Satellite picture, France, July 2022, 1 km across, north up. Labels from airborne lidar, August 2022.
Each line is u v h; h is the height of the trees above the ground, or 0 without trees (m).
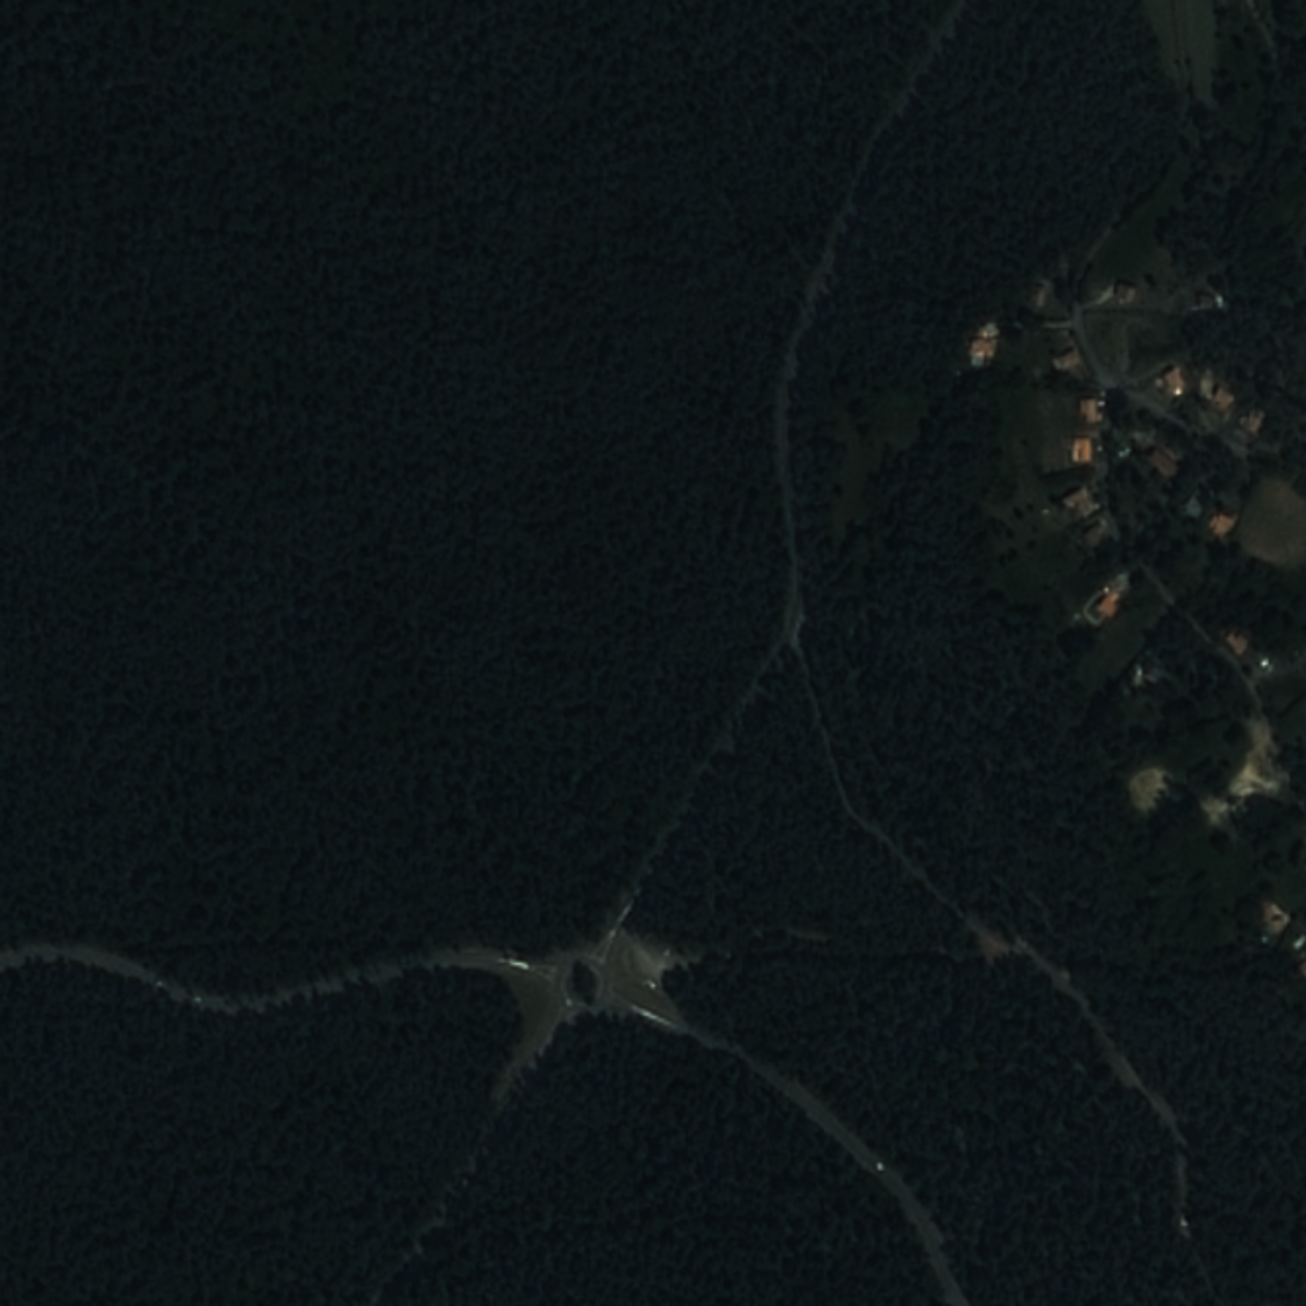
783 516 14
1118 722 20
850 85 19
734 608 22
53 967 5
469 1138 25
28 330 9
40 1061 23
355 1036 24
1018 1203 27
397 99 17
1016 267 14
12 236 20
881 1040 27
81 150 18
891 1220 28
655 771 18
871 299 18
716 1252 29
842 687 26
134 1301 7
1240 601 15
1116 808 17
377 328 15
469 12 23
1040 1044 7
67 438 28
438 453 22
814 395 22
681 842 13
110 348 9
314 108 10
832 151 22
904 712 29
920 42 20
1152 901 16
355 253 17
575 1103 25
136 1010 21
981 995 28
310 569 25
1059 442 0
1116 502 13
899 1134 26
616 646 24
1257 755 0
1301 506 0
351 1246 16
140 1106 20
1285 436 13
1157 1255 26
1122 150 11
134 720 21
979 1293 20
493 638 24
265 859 17
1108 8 18
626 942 0
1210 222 6
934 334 18
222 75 24
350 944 15
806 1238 26
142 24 9
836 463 18
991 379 8
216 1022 24
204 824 20
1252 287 14
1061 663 7
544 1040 0
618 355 9
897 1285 29
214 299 16
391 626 13
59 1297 12
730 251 20
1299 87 11
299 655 22
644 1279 24
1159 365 0
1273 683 0
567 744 7
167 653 22
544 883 14
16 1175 22
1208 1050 27
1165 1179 26
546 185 22
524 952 19
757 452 20
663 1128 32
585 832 22
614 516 10
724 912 24
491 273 20
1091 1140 22
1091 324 0
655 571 16
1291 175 8
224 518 25
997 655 24
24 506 20
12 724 26
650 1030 24
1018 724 20
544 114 16
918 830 22
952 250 9
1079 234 17
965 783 24
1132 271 0
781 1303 24
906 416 0
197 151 19
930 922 28
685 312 16
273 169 21
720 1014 23
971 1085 22
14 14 8
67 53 19
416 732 23
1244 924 12
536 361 17
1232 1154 23
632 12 18
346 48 7
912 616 21
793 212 13
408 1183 25
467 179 20
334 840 15
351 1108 17
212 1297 21
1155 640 20
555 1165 28
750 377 17
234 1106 20
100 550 13
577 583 17
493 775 11
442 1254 19
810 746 27
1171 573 7
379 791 18
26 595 12
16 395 14
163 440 20
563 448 21
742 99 21
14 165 19
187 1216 18
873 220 17
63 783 23
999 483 9
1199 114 18
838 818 26
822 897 27
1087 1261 17
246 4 7
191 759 24
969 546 17
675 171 21
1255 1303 14
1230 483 15
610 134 19
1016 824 26
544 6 19
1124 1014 29
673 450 17
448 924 23
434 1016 8
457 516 19
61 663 20
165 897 25
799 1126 14
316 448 20
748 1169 29
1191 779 7
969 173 20
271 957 21
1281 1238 10
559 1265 32
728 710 23
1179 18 0
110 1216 19
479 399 20
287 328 9
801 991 26
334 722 8
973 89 19
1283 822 21
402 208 15
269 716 8
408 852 21
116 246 8
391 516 19
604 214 17
